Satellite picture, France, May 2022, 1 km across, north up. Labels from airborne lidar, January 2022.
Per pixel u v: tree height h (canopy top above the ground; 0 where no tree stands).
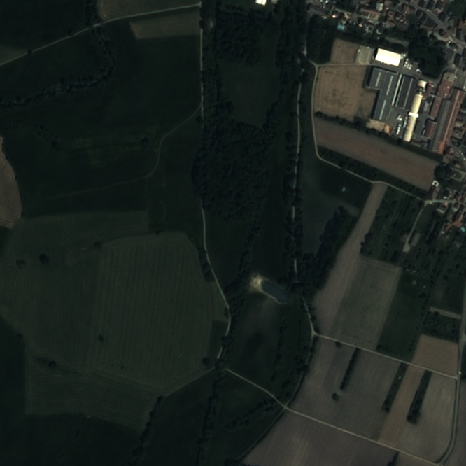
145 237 0
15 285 0
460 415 0
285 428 0
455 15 0
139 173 0
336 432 0
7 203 0
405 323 0
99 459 0
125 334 0
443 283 0
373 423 0
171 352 0
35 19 0
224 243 0
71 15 0
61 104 0
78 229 0
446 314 0
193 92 0
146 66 0
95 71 0
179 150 0
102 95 0
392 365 0
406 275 0
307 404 0
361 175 6
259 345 0
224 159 22
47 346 0
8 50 0
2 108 19
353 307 0
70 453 0
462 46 0
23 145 0
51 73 0
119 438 0
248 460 0
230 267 0
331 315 0
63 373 0
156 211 0
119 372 0
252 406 0
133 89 0
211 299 0
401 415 0
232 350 5
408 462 0
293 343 0
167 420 0
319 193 0
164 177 0
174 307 0
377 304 0
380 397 0
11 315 0
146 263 0
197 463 12
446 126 0
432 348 0
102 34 11
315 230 0
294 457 0
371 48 0
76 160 0
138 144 0
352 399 0
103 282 0
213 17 0
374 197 0
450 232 0
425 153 0
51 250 0
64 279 0
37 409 0
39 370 0
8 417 0
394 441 0
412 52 10
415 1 0
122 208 0
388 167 0
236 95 0
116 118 0
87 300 0
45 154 0
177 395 0
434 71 0
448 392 0
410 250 0
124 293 0
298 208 11
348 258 0
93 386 0
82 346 0
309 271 17
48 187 0
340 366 0
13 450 0
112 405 0
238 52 13
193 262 0
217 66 7
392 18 0
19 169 0
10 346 0
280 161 0
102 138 0
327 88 0
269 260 0
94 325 0
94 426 0
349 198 0
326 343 0
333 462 0
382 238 0
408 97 0
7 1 0
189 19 0
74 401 0
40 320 0
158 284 0
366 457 0
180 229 0
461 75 0
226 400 0
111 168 0
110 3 0
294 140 18
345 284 0
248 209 23
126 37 0
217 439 0
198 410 0
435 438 0
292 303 0
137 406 0
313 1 0
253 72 0
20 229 0
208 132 17
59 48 0
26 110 0
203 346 0
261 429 0
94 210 0
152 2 0
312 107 0
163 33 0
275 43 0
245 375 0
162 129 0
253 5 0
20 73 0
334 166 0
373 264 0
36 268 0
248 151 23
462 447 0
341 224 8
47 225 0
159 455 0
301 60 14
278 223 0
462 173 0
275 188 0
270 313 0
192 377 0
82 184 0
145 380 0
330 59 0
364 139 0
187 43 0
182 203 0
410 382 0
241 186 21
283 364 7
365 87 0
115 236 0
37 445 0
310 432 0
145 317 0
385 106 0
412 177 0
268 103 0
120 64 0
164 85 0
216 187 19
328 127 0
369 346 0
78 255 0
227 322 0
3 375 0
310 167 0
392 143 0
